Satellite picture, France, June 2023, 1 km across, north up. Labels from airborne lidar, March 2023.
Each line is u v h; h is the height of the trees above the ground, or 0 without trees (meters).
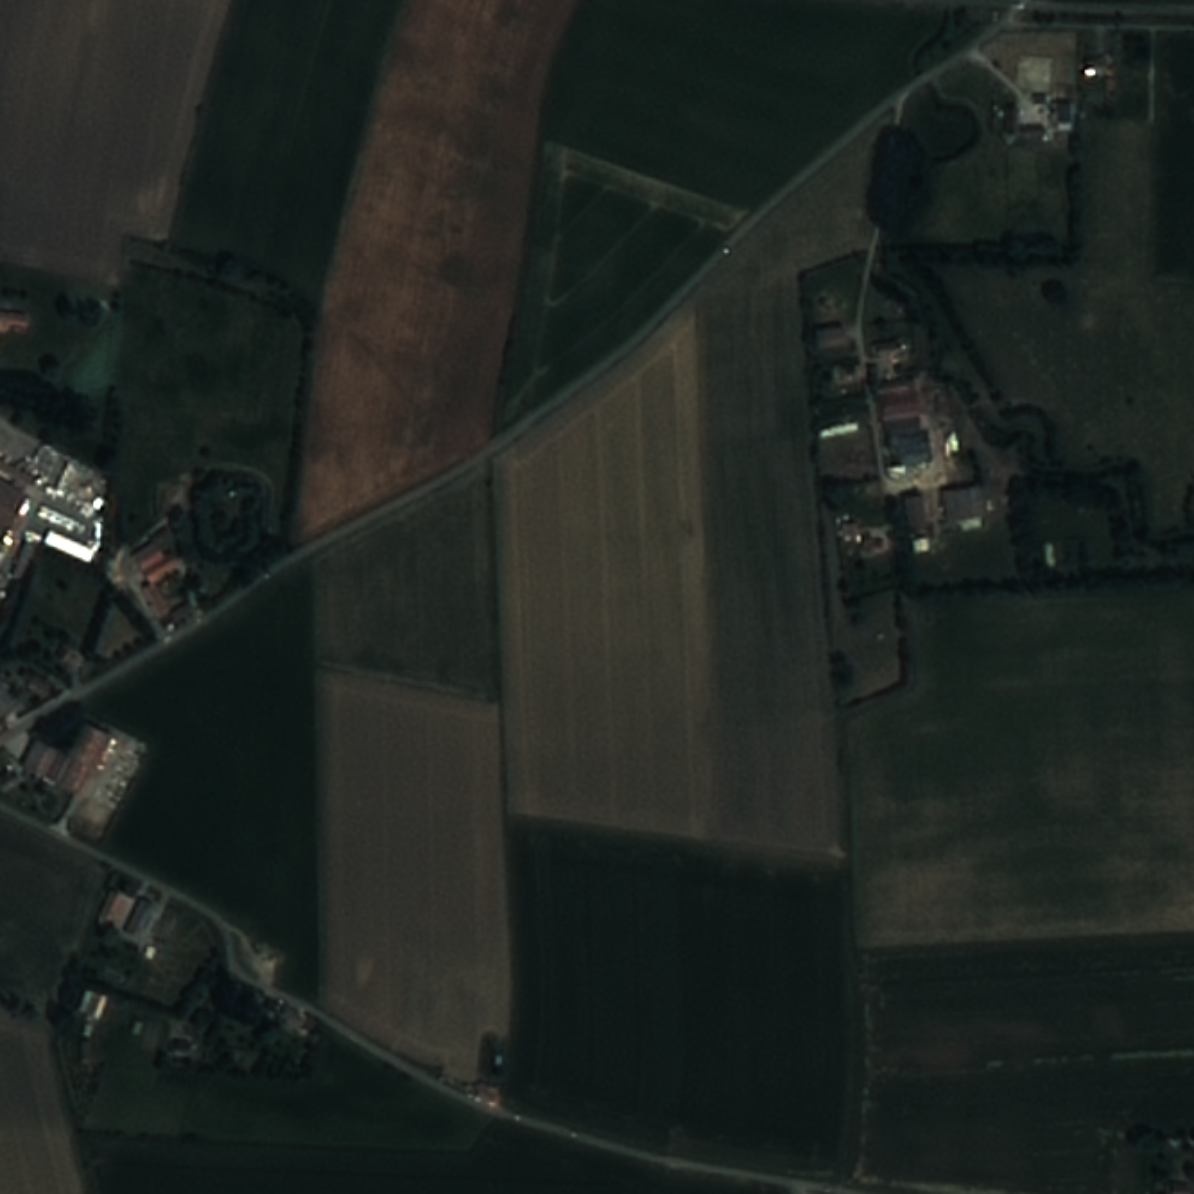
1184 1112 0
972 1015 0
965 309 0
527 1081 0
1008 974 0
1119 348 0
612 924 0
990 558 0
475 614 0
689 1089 0
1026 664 0
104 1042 0
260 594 0
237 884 0
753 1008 0
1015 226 0
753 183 0
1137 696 0
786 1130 0
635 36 0
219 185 0
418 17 0
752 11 0
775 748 0
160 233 0
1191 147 0
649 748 0
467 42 0
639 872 0
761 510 0
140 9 0
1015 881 0
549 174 0
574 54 0
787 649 0
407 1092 0
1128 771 0
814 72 0
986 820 0
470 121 0
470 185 0
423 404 0
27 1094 0
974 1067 0
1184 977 0
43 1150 0
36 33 0
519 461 0
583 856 0
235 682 0
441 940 0
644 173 0
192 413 0
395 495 0
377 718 0
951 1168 0
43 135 0
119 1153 0
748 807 0
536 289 0
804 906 0
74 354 0
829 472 0
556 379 0
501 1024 0
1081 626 0
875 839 0
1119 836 0
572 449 0
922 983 0
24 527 0
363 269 0
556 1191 0
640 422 0
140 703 0
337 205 0
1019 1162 0
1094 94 0
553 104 0
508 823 0
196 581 13
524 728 0
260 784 0
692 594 0
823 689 0
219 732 0
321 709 0
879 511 0
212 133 0
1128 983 0
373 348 0
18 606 11
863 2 0
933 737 0
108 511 8
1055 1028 0
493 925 0
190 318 0
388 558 0
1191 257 0
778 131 0
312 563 0
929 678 0
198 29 0
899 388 0
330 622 0
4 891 0
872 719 0
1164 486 0
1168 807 0
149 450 0
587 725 0
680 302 0
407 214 0
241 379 0
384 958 0
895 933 0
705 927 0
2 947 0
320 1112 0
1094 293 0
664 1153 0
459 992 0
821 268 0
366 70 0
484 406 0
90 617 0
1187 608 0
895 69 0
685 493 0
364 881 0
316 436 0
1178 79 0
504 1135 0
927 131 0
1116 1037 0
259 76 0
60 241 0
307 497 0
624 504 0
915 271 9
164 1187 0
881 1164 0
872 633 0
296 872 0
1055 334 0
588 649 0
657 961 0
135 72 0
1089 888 0
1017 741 0
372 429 0
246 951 0
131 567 0
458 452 0
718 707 0
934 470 0
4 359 0
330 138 0
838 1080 0
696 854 0
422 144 0
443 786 0
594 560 0
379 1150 0
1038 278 0
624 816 0
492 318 0
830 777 0
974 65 0
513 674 0
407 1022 0
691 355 0
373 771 0
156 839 0
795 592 0
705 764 0
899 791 0
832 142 0
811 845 0
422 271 0
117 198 0
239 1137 0
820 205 0
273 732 0
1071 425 0
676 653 0
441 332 0
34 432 0
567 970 0
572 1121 0
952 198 0
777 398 0
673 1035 0
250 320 0
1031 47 0
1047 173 0
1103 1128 0
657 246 0
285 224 0
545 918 0
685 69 0
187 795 0
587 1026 0
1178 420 0
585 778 0
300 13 0
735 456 0
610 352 0
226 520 8
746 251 0
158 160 0
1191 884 0
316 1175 0
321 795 0
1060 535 0
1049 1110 0
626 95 0
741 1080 0
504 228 0
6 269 0
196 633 0
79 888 0
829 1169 0
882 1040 0
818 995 0
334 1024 0
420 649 0
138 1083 0
